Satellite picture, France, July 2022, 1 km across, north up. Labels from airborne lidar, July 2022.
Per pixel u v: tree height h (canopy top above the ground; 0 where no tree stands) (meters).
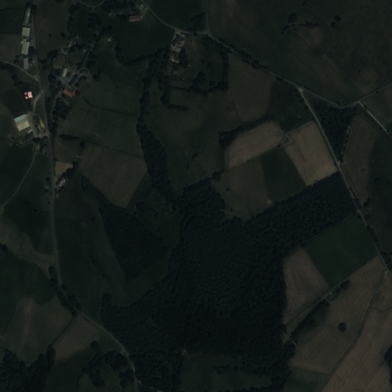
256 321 24
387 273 0
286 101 0
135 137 0
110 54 0
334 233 0
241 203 0
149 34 0
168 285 9
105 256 0
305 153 0
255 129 0
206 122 0
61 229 0
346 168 0
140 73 0
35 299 0
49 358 19
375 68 0
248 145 0
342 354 0
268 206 0
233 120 0
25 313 0
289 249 7
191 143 0
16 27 0
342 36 0
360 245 0
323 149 0
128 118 0
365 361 0
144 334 10
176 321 22
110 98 0
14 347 0
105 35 15
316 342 0
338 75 0
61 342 0
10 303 0
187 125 0
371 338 0
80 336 0
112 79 0
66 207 0
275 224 12
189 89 7
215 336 22
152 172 15
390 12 0
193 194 17
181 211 7
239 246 20
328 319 0
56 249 0
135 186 0
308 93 0
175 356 15
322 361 0
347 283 9
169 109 8
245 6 0
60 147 0
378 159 0
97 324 0
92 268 0
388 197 0
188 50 0
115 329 9
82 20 0
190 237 23
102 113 0
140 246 12
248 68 0
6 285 0
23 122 0
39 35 0
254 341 23
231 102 0
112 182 0
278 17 0
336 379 0
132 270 14
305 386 0
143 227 13
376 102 0
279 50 0
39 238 0
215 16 0
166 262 0
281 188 0
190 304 18
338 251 0
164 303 14
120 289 0
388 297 0
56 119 14
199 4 0
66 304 14
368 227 10
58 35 0
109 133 0
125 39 0
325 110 12
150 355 8
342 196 22
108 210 14
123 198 0
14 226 0
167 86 11
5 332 0
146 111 7
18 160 0
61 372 0
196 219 22
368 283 0
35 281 0
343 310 0
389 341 0
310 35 0
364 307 0
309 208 12
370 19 0
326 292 0
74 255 0
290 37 0
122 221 14
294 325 0
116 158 0
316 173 0
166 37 0
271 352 21
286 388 0
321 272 0
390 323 0
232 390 0
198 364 0
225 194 0
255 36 0
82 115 0
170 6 0
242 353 21
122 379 16
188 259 21
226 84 20
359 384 0
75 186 0
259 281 15
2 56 0
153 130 0
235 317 22
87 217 0
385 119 0
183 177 0
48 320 0
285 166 0
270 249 21
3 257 0
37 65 0
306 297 0
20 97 0
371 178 0
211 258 19
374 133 0
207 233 17
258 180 0
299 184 0
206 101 0
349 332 0
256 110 0
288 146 0
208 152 0
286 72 0
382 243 0
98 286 0
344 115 8
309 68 0
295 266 0
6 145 0
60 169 0
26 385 20
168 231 0
